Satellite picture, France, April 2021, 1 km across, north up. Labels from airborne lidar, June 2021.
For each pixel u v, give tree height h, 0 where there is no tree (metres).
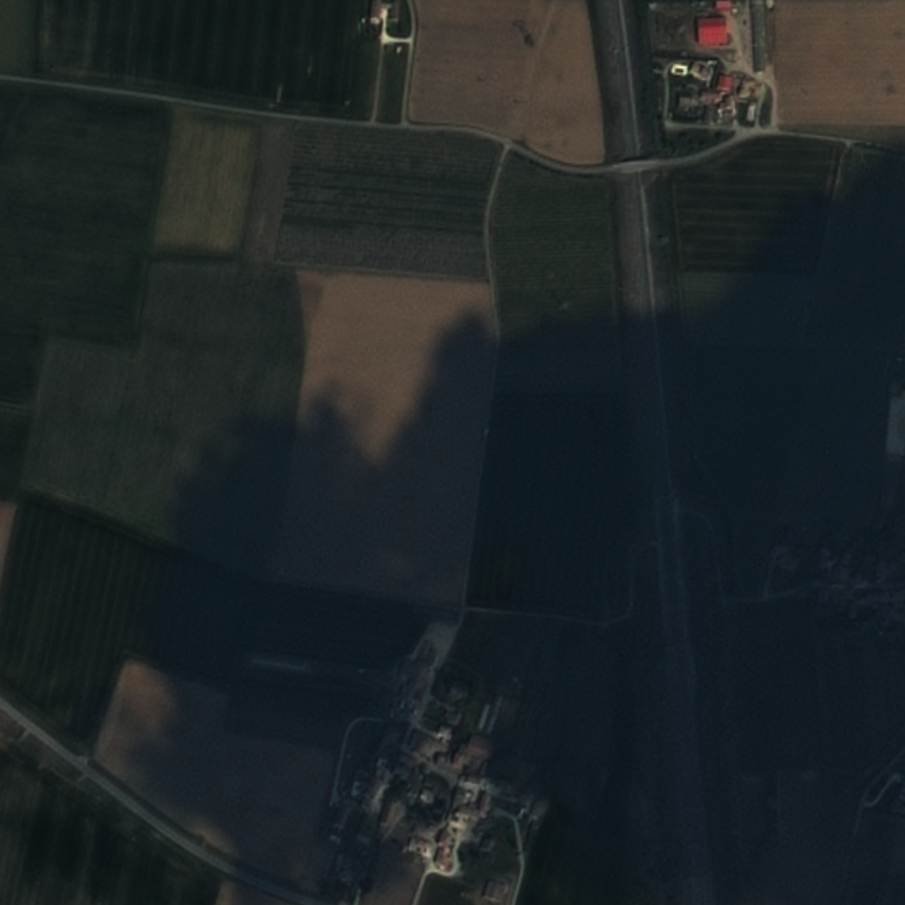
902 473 10
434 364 0
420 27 0
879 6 0
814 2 0
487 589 0
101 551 0
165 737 0
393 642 0
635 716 0
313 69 0
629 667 0
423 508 0
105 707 0
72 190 0
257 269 0
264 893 0
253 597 0
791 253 0
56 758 0
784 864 0
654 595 0
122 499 0
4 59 0
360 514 0
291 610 0
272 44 0
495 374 0
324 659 6
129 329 0
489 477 0
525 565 0
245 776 0
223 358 0
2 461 0
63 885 0
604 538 0
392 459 0
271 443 0
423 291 0
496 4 0
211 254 0
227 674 0
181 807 0
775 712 0
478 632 0
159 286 0
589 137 0
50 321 0
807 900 0
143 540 0
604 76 0
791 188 0
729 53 0
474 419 0
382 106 0
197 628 0
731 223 0
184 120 0
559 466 0
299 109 0
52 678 0
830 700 0
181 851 0
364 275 0
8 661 0
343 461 0
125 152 0
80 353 0
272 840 0
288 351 0
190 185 0
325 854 0
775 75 0
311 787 0
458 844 0
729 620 0
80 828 0
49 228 0
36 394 0
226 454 0
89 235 0
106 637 0
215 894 0
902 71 0
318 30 0
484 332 0
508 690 0
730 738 11
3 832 0
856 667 0
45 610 0
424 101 0
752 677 0
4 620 0
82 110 0
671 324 0
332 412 0
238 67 0
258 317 0
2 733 0
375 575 0
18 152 0
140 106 0
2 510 0
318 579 0
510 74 0
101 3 0
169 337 0
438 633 0
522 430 0
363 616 0
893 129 0
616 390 0
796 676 0
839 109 0
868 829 0
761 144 0
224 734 0
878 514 11
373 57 0
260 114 0
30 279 0
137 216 0
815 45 0
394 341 0
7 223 0
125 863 0
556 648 0
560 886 0
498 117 0
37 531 0
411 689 0
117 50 0
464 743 8
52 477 0
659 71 10
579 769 0
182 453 0
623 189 0
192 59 0
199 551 0
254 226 0
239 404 0
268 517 0
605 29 0
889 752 0
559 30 0
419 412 0
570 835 0
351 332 0
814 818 0
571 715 0
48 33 0
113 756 0
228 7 0
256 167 0
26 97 0
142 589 0
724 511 9
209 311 0
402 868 0
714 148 0
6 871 0
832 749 0
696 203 0
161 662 0
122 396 0
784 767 0
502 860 0
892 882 0
